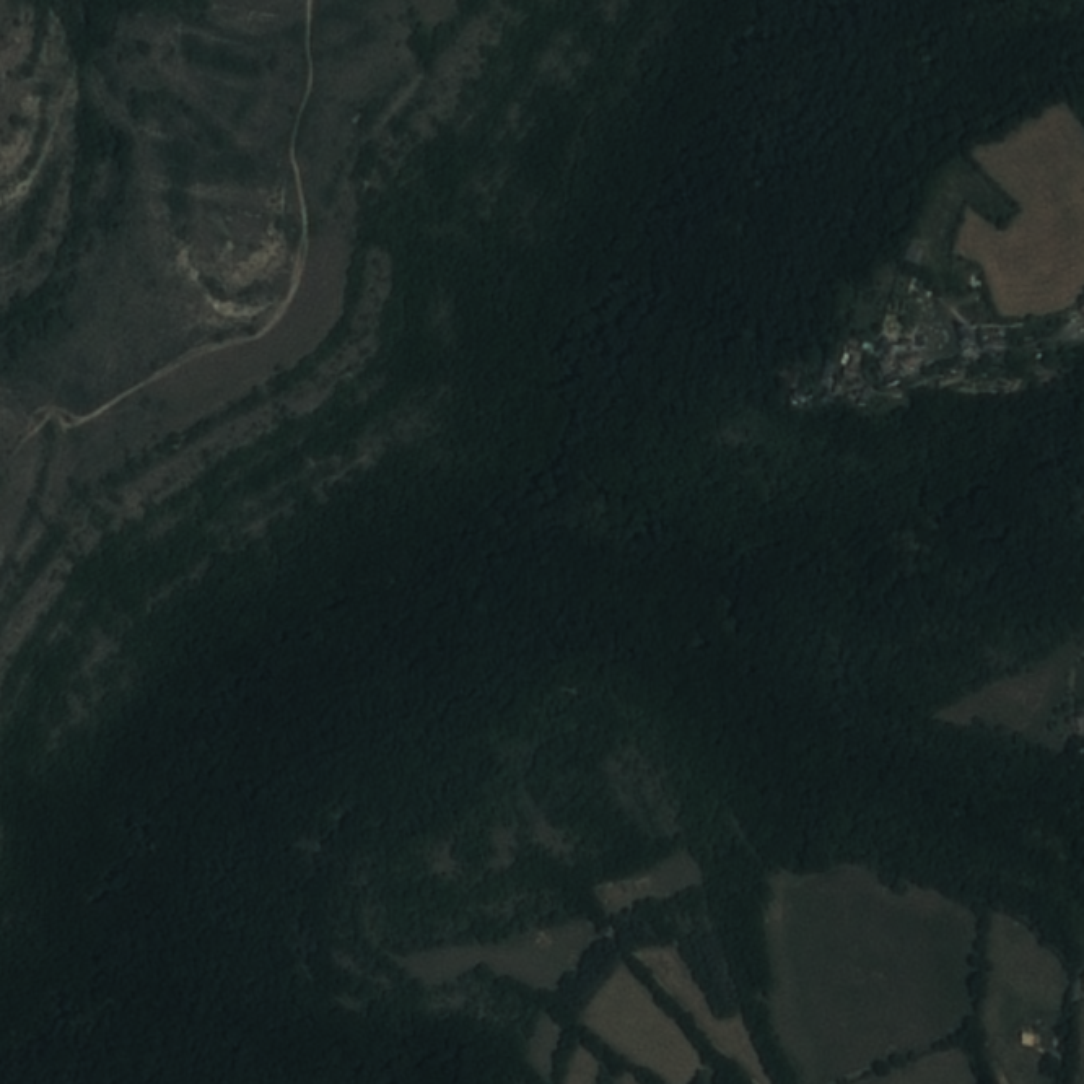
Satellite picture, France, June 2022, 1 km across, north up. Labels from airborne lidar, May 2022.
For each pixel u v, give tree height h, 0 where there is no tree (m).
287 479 7
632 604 21
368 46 0
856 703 16
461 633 24
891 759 16
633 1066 7
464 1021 11
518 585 26
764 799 22
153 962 23
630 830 7
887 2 20
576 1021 11
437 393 7
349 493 9
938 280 9
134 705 8
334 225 0
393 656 23
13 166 0
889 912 0
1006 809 22
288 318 0
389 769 15
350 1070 22
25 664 8
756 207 26
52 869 15
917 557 18
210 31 0
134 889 29
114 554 9
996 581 15
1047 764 14
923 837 14
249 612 19
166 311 0
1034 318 8
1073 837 12
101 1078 27
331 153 0
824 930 0
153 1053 22
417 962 0
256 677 24
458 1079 21
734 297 22
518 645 19
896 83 16
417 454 9
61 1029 22
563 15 10
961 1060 0
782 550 29
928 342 0
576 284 33
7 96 0
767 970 12
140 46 6
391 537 18
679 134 28
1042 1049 0
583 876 11
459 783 10
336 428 10
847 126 21
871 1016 0
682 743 15
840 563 21
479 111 7
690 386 18
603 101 10
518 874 7
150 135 0
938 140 7
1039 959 0
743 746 25
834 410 9
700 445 12
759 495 12
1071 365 15
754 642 24
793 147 20
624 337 27
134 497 0
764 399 7
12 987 20
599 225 26
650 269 23
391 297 6
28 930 10
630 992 0
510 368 19
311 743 18
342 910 8
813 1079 0
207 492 9
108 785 21
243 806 16
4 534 0
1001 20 17
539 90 7
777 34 26
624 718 8
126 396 0
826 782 19
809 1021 0
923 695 9
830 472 13
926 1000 0
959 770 20
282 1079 24
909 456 12
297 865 11
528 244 9
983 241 0
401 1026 8
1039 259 0
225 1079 22
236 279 0
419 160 6
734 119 28
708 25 21
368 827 10
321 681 25
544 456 20
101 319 0
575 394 29
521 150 8
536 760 9
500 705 21
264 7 0
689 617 19
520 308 19
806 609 20
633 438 19
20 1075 21
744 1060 0
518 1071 11
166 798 24
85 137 10
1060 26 14
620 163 20
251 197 0
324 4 0
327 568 20
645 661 19
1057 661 0
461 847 7
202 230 0
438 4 0
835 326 8
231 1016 20
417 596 28
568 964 0
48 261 8
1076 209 0
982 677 7
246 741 23
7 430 0
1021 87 11
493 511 28
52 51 0
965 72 18
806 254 21
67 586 8
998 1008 0
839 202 18
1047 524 16
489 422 11
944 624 16
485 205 6
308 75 0
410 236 8
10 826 14
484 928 8
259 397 7
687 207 23
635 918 15
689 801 8
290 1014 19
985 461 26
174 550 11
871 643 14
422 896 9
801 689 18
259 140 0
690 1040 11
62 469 0
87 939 28
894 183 15
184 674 18
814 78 21
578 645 18
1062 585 21
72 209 7
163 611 9
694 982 6
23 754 12
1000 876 14
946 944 0
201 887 14
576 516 26
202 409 0
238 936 14
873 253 8
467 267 14
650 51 11
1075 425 15
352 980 9
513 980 11
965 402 14
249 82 0
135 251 0
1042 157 0
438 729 15
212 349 0
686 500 17
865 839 12
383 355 7
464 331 12
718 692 22
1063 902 11
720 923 7
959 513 30
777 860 17
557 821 9
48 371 0
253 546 9
